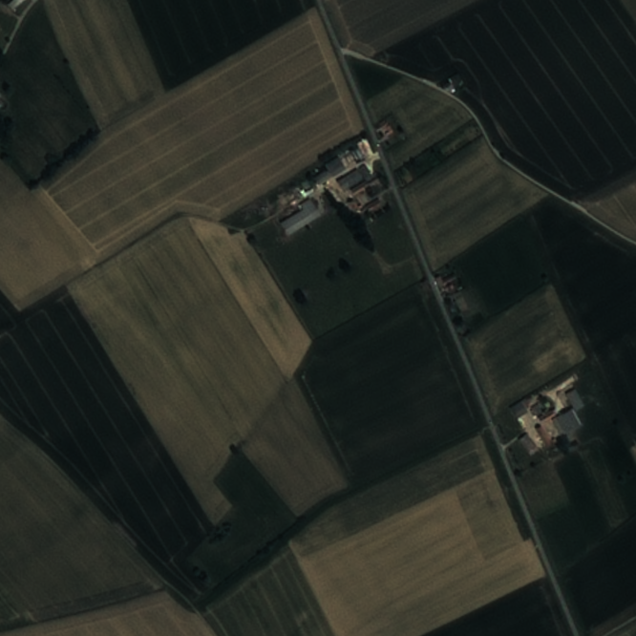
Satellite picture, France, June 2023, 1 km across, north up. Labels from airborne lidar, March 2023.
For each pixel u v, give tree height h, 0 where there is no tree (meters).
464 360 0
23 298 0
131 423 0
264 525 0
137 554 0
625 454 0
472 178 0
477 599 0
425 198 0
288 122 0
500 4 0
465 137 0
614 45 0
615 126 0
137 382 0
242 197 0
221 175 0
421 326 0
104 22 0
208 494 0
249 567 0
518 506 0
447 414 0
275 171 0
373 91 0
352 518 0
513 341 0
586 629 0
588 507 0
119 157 0
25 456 0
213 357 0
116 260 0
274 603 0
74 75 0
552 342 0
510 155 0
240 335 0
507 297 0
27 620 0
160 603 0
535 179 0
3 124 15
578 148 0
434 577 0
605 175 0
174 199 0
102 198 0
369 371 0
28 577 0
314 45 0
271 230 0
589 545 0
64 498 0
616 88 0
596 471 0
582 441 0
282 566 0
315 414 0
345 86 0
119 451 0
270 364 0
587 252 0
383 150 0
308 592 0
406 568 0
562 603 0
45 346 0
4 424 0
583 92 0
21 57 0
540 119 0
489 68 0
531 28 0
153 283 0
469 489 0
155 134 0
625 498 0
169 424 0
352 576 0
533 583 0
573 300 0
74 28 0
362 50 0
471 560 0
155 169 0
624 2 0
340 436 0
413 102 0
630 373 0
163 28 0
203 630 0
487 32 0
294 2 0
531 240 0
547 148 0
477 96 0
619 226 0
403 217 0
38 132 0
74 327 0
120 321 0
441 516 0
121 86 0
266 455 0
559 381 0
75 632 0
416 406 0
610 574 0
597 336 0
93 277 0
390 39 0
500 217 0
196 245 0
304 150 0
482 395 0
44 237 0
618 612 0
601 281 0
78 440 0
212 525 0
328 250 0
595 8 0
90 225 0
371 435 0
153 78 0
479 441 0
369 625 0
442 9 0
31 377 0
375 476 0
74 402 0
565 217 0
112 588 0
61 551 0
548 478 0
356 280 0
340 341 0
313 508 0
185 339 0
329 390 0
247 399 0
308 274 0
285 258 0
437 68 0
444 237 0
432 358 0
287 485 0
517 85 0
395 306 0
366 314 0
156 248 0
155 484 0
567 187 0
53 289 0
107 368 0
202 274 0
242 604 0
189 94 0
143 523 0
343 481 0
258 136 0
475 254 0
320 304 0
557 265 0
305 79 0
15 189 0
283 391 0
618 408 0
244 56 0
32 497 0
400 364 0
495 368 0
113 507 0
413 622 0
